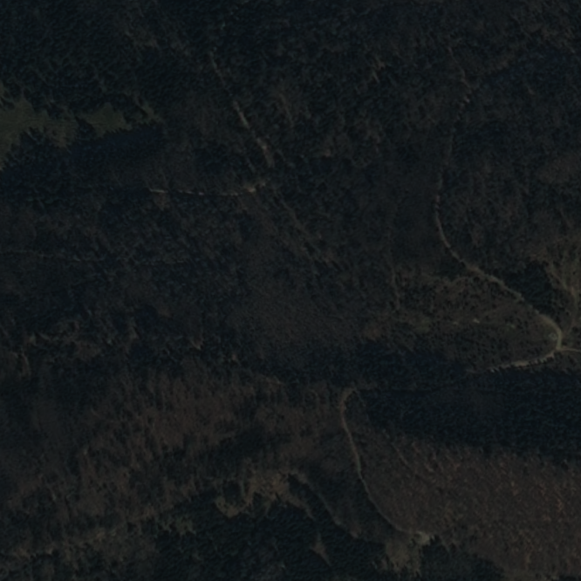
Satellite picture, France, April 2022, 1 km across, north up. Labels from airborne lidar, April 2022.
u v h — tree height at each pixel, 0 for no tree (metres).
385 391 14
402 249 11
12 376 11
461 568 22
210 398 15
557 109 18
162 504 19
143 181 18
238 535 29
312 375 13
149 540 20
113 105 16
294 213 19
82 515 18
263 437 19
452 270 9
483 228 21
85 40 26
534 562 19
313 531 22
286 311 21
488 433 23
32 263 10
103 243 10
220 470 16
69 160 19
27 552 12
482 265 11
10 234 15
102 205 23
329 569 12
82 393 17
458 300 6
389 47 15
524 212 22
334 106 27
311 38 12
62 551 27
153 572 19
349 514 20
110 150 23
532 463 18
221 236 6
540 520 26
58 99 22
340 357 23
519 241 20
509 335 0
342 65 9
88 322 37
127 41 24
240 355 9
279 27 15
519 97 23
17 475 12
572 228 18
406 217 11
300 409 14
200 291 6
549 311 13
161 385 16
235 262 33
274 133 25
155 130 9
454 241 17
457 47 7
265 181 14
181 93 27
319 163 16
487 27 9
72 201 23
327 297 20
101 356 9
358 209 37
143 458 19
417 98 22
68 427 15
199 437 13
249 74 25
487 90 20
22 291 12
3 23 18
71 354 13
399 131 11
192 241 7
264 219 23
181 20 27
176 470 20
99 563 15
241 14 7
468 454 15
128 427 14
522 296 13
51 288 10
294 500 0
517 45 14
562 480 19
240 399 12
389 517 17
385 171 10
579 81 27
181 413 13
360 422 19
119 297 14
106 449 10
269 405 9
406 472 22
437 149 13
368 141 12
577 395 19
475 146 17
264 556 26
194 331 11
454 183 23
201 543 29
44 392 14
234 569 29
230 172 24
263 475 19
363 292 17
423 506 26
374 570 15
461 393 18
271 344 20
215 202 7
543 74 25
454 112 13
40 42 26
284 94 26
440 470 25
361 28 14
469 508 28
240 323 21
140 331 6
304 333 22
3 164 0
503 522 27
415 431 22
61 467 14
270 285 23
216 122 21
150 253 8
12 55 21
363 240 10
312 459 16
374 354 23
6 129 0
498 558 19
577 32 8
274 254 27
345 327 20
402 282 6
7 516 17
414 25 10
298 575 24
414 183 13
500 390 15
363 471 10
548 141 21
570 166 20
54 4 29
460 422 11
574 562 21
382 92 16
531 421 23
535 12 13
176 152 25
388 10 14
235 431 11
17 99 8
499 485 23
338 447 22
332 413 17
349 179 15
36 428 13
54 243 8
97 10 27
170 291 29
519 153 20
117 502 18
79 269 10
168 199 35
